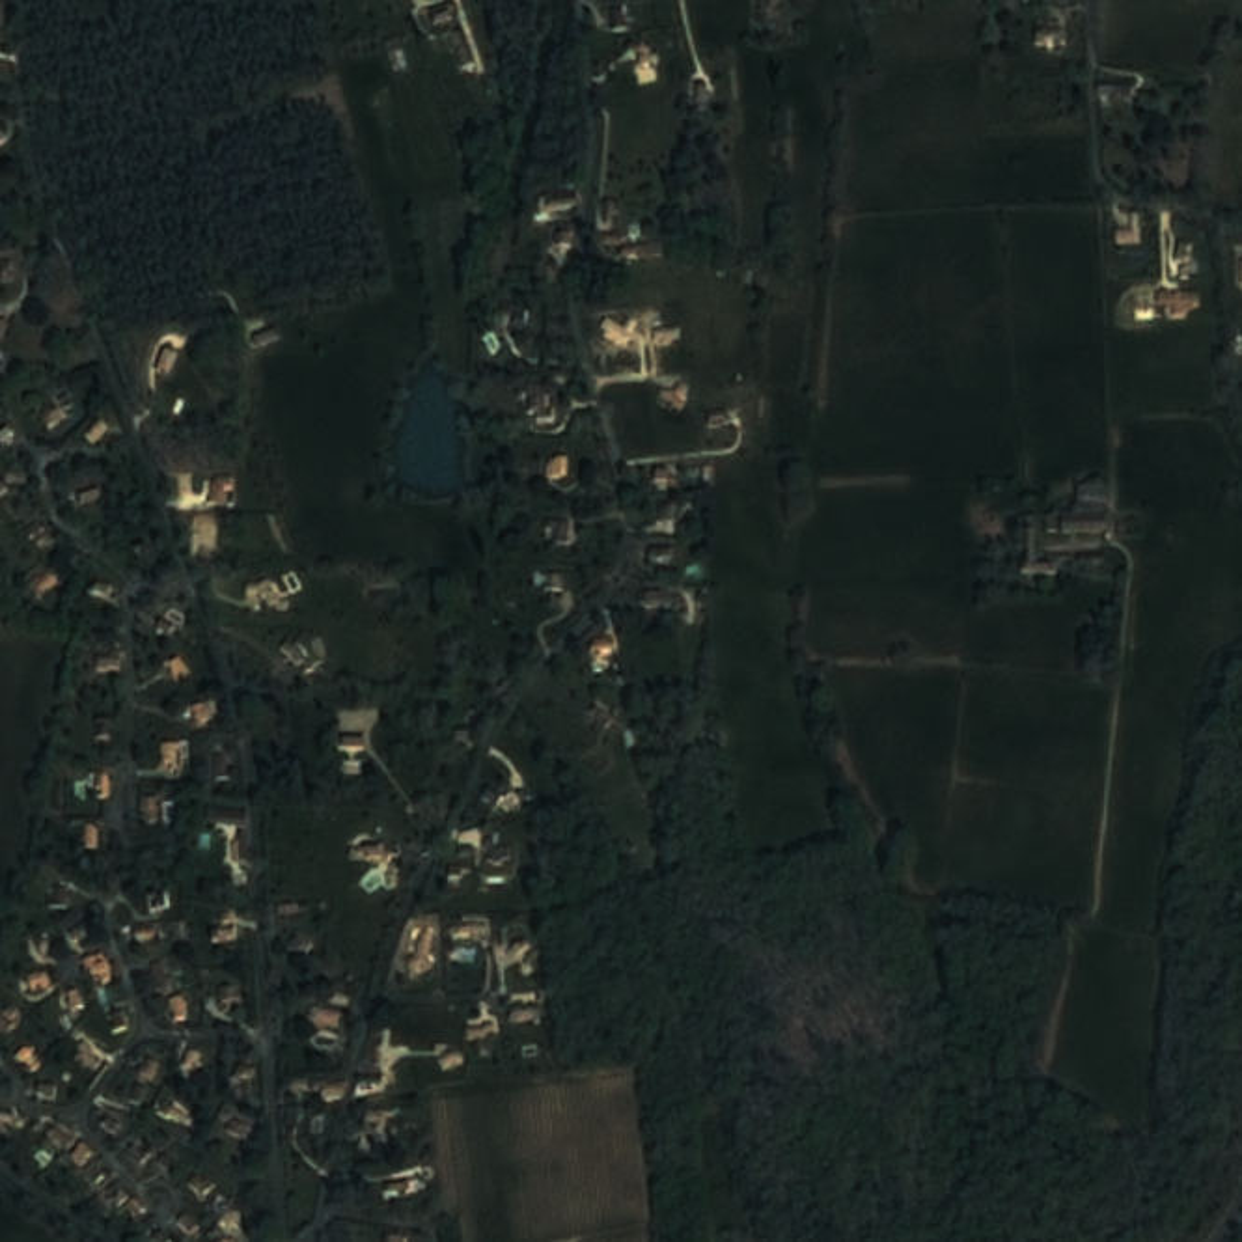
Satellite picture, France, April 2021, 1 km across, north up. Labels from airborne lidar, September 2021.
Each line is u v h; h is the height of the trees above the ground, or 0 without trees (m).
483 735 17
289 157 12
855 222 0
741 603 0
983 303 0
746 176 0
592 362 0
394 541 0
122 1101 7
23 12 16
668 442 0
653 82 0
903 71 0
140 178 21
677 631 11
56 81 20
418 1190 0
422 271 7
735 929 19
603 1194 0
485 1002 0
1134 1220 16
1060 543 0
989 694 0
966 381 0
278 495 6
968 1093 21
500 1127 0
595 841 20
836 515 0
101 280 19
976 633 0
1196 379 0
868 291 0
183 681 13
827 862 26
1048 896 0
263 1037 0
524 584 8
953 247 0
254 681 10
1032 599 12
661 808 18
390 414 9
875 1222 22
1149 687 0
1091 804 0
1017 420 0
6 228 16
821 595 0
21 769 0
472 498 11
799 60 0
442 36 11
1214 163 20
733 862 17
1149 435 0
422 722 15
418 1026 0
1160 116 9
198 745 9
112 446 13
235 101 20
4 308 0
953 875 0
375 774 14
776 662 0
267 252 22
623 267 8
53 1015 0
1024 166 0
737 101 0
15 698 0
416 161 0
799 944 20
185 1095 18
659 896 19
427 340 10
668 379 0
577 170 18
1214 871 15
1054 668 0
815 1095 17
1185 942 19
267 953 6
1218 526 0
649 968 26
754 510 0
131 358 16
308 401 0
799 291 0
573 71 21
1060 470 0
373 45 9
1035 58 0
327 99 0
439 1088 0
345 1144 9
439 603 17
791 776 0
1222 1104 24
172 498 17
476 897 0
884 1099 20
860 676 0
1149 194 17
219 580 16
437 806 16
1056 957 21
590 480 11
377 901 0
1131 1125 0
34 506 9
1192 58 0
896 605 0
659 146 0
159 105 18
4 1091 16
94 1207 7
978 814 0
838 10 0
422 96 0
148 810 0
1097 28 12
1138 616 0
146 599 10
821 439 0
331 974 13
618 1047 24
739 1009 25
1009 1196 20
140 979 12
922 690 0
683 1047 25
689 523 10
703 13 0
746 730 0
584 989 20
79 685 17
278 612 0
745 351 0
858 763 0
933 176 0
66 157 19
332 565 10
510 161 20
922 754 0
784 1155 21
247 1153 13
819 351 0
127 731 0
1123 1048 0
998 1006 20
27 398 11
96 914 6
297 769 20
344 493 0
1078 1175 22
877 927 24
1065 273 0
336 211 17
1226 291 15
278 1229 19
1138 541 0
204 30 22
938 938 23
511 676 13
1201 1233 15
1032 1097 25
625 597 7
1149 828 0
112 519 12
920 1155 16
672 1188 21
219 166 19
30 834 9
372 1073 0
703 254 16
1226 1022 29
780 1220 20
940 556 0
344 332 0
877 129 0
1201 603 0
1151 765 0
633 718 20
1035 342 0
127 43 16
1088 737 0
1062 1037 0
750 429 0
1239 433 12
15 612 17
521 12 20
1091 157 0
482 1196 0
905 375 0
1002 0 17
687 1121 26
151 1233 6
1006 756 0
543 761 20
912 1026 17
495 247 8
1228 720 26
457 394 9
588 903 15
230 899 18
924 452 0
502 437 11
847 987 17
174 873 14
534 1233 0
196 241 27
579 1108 0
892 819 0
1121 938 0
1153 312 0
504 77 15
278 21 24
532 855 0
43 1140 10
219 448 20
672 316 0
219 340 21
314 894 0
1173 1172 16
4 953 19
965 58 0
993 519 0
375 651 0
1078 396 0
